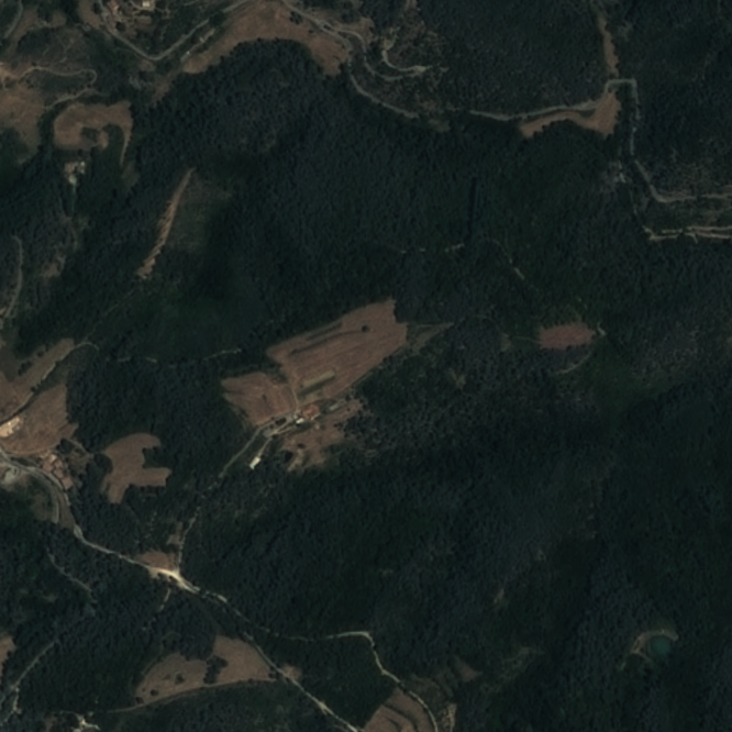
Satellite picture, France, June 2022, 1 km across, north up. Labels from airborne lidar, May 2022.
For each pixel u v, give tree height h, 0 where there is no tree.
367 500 18
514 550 12
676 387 15
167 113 26
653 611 19
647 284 17
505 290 10
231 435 21
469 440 15
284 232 10
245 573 13
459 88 15
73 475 10
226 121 18
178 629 10
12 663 11
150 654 10
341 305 9
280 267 13
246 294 0
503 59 15
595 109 0
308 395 0
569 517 10
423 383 11
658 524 10
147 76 21
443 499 19
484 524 15
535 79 12
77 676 9
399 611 6
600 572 27
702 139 8
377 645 11
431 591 15
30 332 11
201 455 8
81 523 13
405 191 14
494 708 8
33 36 6
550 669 14
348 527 15
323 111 18
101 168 15
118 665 9
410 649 12
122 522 14
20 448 0
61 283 14
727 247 12
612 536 10
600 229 9
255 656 0
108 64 6
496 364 21
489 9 14
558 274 12
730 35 8
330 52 0
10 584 9
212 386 11
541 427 11
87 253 10
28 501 8
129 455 0
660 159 7
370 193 17
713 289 15
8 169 11
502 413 24
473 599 15
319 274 13
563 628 11
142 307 6
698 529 6
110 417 14
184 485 7
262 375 0
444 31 11
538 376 25
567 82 15
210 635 10
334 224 14
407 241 15
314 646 14
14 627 15
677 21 12
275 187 13
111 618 18
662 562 8
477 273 10
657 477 9
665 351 13
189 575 11
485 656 10
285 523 18
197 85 21
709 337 7
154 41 11
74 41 0
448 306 10
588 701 14
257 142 16
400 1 19
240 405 0
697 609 10
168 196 8
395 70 7
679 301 14
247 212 17
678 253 6
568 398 16
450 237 13
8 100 0
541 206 7
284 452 9
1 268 19
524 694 17
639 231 14
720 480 10
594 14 11
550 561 13
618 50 14
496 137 13
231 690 6
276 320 16
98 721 10
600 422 11
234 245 13
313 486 16
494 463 18
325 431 0
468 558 17
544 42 10
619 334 18
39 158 12
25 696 11
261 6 0
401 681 7
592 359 7
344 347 0
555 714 18
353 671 8
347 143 14
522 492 14
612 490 22
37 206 17
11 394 0
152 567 0
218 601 9
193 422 19
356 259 9
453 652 12
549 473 22
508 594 11
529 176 6
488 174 15
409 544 12
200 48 7
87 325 9
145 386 15
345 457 7
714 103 17
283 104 16
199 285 9
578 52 10
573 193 6
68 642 14
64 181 14
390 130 17
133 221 15
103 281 8
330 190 15
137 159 7
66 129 0
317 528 19
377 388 9
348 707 9
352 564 7
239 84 14
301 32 0
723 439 8
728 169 9
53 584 12
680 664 8
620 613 22
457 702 8
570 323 10
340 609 6
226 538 9
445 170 12
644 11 24
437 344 6
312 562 18
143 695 0
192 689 0
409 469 17
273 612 18
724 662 19
